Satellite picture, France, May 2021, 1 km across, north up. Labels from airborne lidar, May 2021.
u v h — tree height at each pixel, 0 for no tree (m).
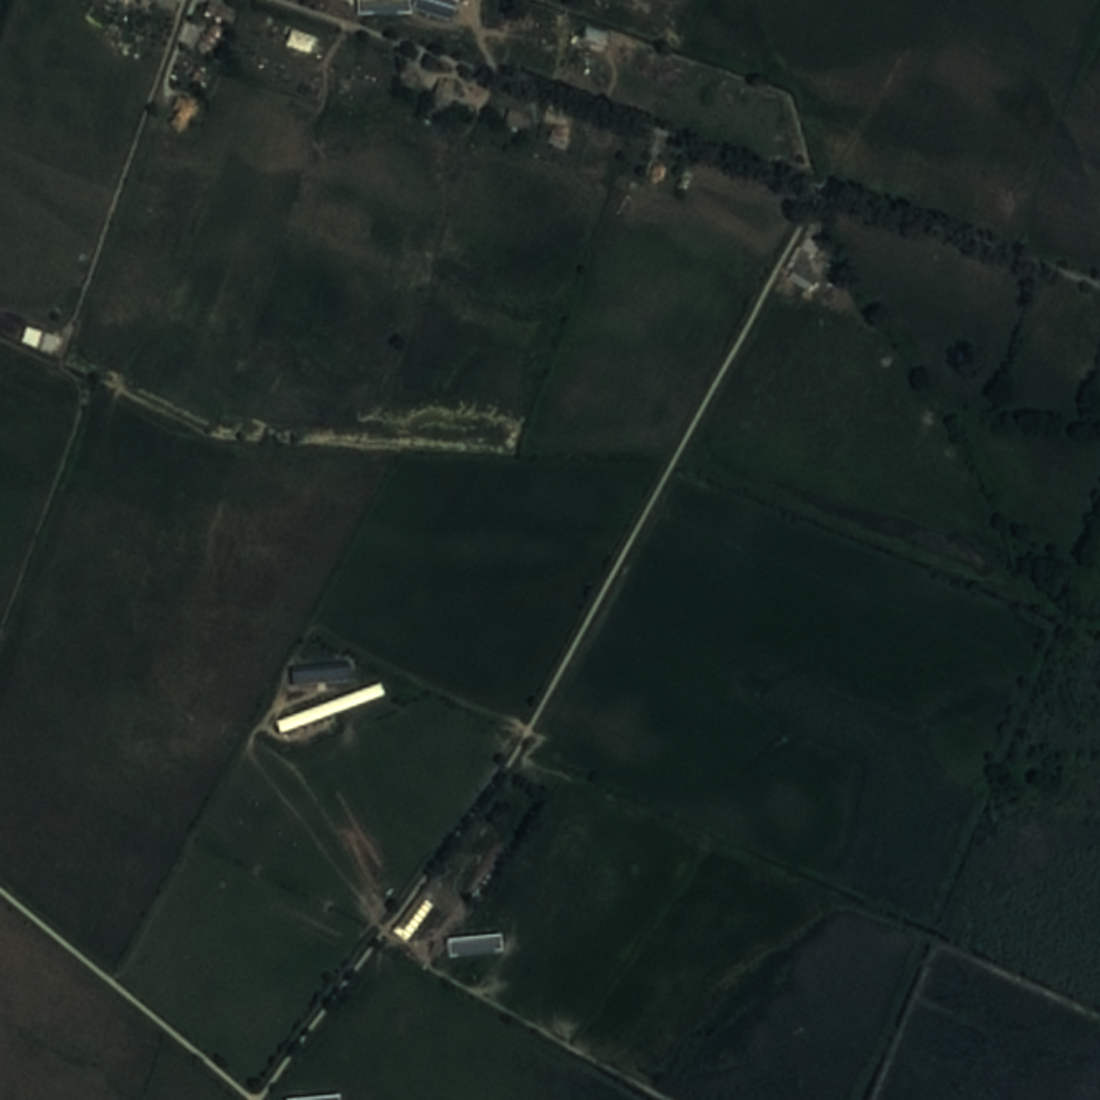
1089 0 0
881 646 0
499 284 0
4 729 0
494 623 0
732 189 0
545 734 0
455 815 0
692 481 0
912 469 0
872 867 0
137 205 0
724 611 0
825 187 0
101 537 0
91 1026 0
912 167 0
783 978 0
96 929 0
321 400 0
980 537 0
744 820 0
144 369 0
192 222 0
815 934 0
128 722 0
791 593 0
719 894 0
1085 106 0
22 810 0
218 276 0
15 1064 0
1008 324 0
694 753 0
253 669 0
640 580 0
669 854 0
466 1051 0
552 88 30
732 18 0
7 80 0
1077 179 0
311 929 0
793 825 0
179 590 0
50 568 0
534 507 0
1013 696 0
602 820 0
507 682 0
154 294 0
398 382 0
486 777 0
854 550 0
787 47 0
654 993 0
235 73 6
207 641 0
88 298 0
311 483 0
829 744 0
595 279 0
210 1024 0
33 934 0
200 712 0
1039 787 19
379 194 0
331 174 0
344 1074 0
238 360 0
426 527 0
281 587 0
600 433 0
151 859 0
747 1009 0
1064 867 7
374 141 0
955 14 0
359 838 0
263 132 0
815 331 0
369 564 0
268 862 0
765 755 0
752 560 0
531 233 0
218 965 0
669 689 0
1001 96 0
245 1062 0
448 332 0
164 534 0
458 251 0
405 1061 0
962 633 0
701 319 0
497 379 0
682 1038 0
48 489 0
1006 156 0
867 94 0
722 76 0
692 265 0
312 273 0
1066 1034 0
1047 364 0
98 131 0
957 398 0
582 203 0
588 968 0
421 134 0
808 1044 0
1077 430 19
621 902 0
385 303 0
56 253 0
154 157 0
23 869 0
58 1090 0
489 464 0
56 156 0
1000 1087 0
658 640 0
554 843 0
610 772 0
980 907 6
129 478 0
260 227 0
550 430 0
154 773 0
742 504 0
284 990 0
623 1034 0
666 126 21
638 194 0
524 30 0
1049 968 5
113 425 0
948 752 0
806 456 0
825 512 0
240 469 0
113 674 0
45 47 0
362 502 0
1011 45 0
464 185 0
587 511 0
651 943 0
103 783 0
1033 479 0
